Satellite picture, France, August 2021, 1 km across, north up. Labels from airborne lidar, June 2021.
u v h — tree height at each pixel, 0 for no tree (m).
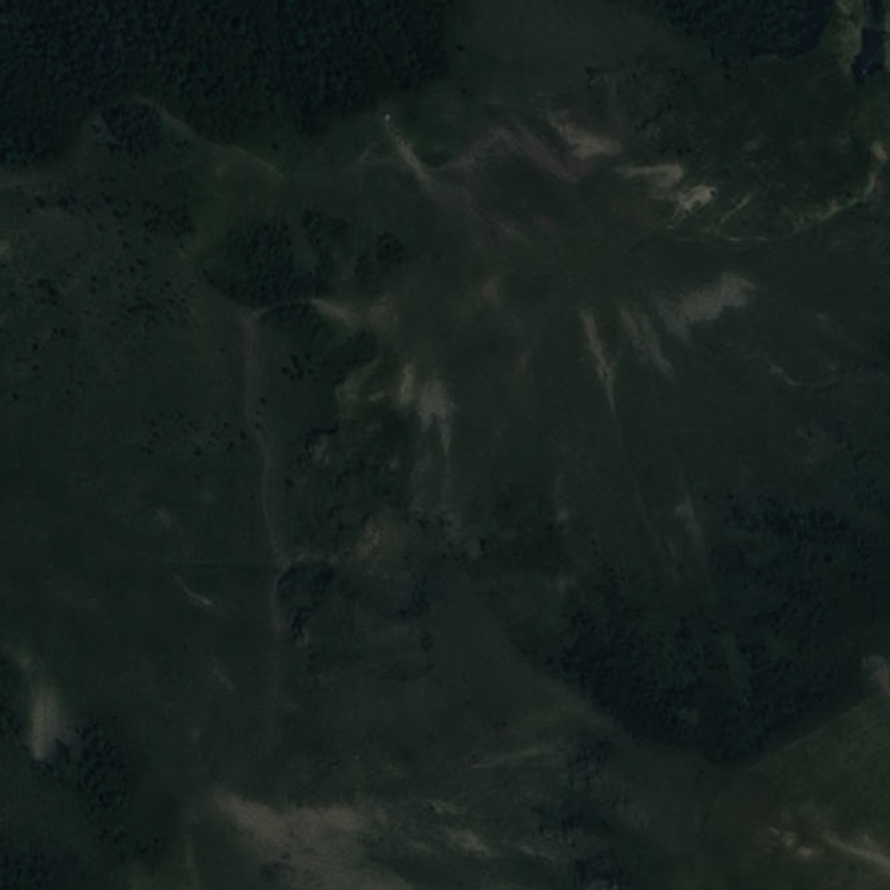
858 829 0
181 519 0
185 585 0
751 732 0
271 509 0
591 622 7
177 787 0
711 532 0
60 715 0
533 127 0
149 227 6
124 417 0
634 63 0
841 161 0
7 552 0
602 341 0
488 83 0
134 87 19
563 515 0
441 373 0
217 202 0
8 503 0
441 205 0
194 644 0
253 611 0
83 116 11
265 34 18
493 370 0
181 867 0
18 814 0
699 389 0
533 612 0
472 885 0
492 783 0
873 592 0
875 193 0
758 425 0
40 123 21
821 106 0
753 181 0
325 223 7
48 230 0
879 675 0
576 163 0
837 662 0
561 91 0
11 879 8
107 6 17
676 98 0
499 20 0
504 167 0
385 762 0
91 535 0
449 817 0
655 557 0
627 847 0
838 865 0
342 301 0
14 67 20
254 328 0
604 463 0
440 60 15
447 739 0
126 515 0
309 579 0
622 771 0
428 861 0
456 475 0
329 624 0
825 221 0
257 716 0
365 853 0
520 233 0
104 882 0
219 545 0
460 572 0
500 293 0
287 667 0
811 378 0
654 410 0
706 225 0
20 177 0
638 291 0
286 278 8
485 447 0
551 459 0
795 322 0
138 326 0
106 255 0
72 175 0
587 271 0
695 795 0
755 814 0
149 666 0
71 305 0
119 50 31
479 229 0
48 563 0
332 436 0
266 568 0
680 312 0
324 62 21
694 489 0
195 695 0
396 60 19
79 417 0
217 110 23
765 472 0
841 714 0
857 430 0
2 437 0
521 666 0
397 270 0
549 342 0
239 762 0
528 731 0
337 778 0
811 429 0
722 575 0
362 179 0
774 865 0
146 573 0
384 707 0
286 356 0
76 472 0
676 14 10
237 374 0
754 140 0
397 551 0
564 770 0
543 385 0
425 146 0
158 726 0
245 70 13
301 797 0
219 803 0
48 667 0
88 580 0
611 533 0
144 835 0
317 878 0
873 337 0
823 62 0
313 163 0
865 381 0
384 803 0
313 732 0
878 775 0
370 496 0
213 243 0
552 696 0
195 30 24
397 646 0
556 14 0
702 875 0
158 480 0
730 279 0
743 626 0
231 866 0
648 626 0
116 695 0
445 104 0
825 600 0
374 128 0
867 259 0
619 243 0
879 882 0
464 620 0
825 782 0
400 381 0
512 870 0
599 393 0
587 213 0
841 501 0
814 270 0
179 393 0
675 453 0
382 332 0
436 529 0
